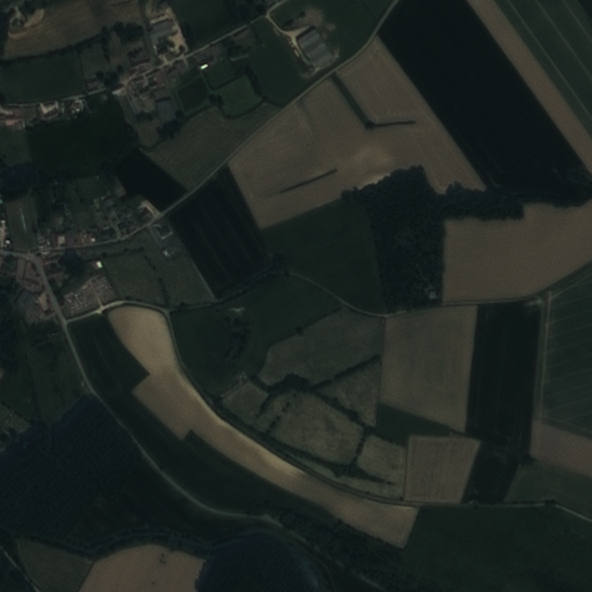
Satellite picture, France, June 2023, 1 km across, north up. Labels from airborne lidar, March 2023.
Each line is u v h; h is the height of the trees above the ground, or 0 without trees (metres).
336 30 0
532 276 0
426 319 0
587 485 0
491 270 0
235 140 0
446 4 0
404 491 0
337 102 0
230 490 0
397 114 0
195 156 0
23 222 0
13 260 14
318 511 0
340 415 0
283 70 0
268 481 0
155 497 0
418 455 0
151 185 0
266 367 0
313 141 0
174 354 0
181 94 0
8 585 0
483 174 0
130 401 0
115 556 0
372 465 0
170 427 0
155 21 0
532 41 0
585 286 0
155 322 0
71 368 0
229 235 0
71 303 0
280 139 0
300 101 0
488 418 0
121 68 10
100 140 0
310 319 0
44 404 0
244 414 0
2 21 28
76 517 28
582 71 0
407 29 0
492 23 0
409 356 0
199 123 0
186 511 0
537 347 0
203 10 0
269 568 34
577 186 0
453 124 0
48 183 29
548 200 9
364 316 0
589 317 0
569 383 0
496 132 0
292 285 0
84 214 0
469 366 0
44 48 0
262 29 0
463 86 0
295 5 0
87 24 0
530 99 0
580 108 0
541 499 0
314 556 0
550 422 0
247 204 0
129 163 0
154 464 0
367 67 0
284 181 0
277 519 21
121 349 0
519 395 0
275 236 0
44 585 0
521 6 0
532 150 0
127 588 0
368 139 0
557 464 0
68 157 0
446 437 0
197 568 0
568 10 0
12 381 0
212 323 0
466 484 0
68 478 32
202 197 0
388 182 9
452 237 0
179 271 0
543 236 0
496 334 0
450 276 0
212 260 0
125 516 0
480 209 18
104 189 0
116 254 0
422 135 0
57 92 0
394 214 15
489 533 0
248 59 0
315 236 0
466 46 0
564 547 0
